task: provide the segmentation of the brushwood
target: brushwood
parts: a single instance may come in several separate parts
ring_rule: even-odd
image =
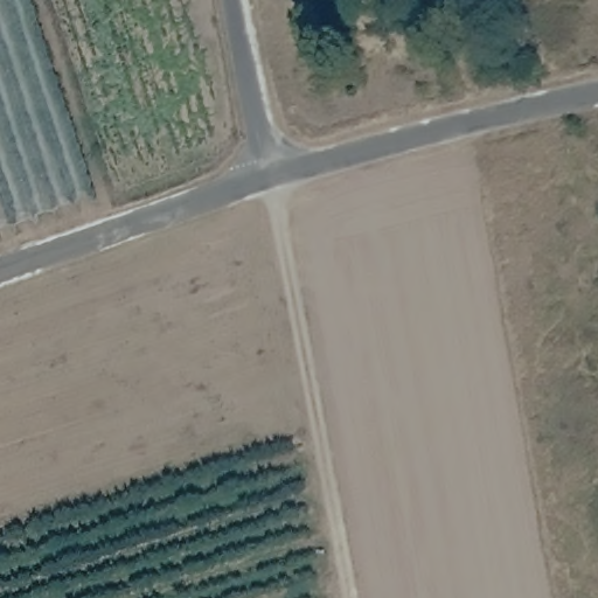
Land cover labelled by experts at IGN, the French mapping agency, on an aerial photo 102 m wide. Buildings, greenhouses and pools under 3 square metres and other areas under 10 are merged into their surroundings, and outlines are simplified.
[[[593,488],[589,505],[589,521],[593,526],[591,537],[598,540],[598,486]]]
[[[584,16],[582,7],[586,0],[526,0],[519,42],[535,44],[537,54],[542,49],[561,51],[565,44],[577,42],[577,30]]]

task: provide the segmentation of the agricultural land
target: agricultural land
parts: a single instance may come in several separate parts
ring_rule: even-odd
[[[84,192],[89,199],[96,199],[96,189],[105,185],[110,203],[117,208],[133,201],[152,199],[175,187],[182,187],[187,194],[196,192],[206,182],[224,180],[234,171],[238,171],[236,159],[248,147],[248,124],[238,93],[234,51],[229,42],[222,0],[35,0],[40,7],[44,35],[54,51],[56,70],[61,72],[61,82],[70,103],[70,112],[61,112],[61,117],[65,121],[70,150]]]
[[[544,558],[537,540],[537,521],[523,453],[521,416],[516,409],[507,350],[500,329],[500,311],[493,290],[493,259],[488,252],[486,236],[486,224],[495,220],[495,213],[491,201],[479,199],[479,168],[474,140],[486,135],[484,128],[292,182],[297,185],[297,189],[287,196],[290,243],[304,299],[304,315],[308,325],[308,339],[320,383],[332,467],[339,488],[343,528],[353,563],[357,591],[353,598],[544,598],[549,593],[549,582],[544,575]]]
[[[110,493],[131,479],[152,477],[164,467],[182,467],[210,453],[234,451],[250,441],[269,439],[273,434],[290,437],[297,427],[308,427],[308,413],[304,404],[304,390],[287,315],[287,299],[276,259],[271,217],[264,201],[243,199],[229,201],[206,213],[196,213],[187,220],[173,220],[161,229],[133,234],[110,245],[98,245],[91,252],[68,257],[63,262],[0,280],[0,526],[5,526],[12,519],[23,519],[30,509],[49,507],[58,500],[70,500],[89,493]]]

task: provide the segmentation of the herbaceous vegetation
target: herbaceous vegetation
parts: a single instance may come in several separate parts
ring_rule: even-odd
[[[117,208],[110,203],[105,185],[96,189],[96,199],[89,199],[84,192],[77,194],[75,201],[68,201],[63,196],[56,201],[56,206],[44,203],[42,194],[33,194],[33,208],[26,208],[26,222],[16,220],[0,229],[0,259],[12,252],[26,250],[26,243],[44,238],[49,234],[65,231],[100,215],[112,215]]]
[[[56,528],[40,535],[37,540],[26,540],[19,547],[0,547],[0,554],[23,554],[56,537],[89,533],[114,519],[161,509],[180,502],[185,495],[210,495],[220,491],[227,481],[250,481],[264,474],[273,474],[276,465],[292,465],[294,472],[304,477],[304,488],[299,491],[283,491],[273,498],[266,498],[250,507],[241,507],[236,512],[224,512],[213,519],[203,519],[168,533],[154,533],[128,547],[103,549],[96,554],[72,554],[58,563],[49,563],[42,572],[51,577],[61,572],[84,570],[107,558],[133,556],[152,544],[187,537],[196,530],[220,528],[238,519],[257,516],[264,509],[276,509],[285,500],[297,500],[306,502],[306,509],[290,509],[278,519],[266,519],[262,523],[236,528],[217,537],[203,537],[180,549],[159,551],[121,568],[107,568],[103,572],[79,577],[77,582],[82,589],[107,582],[121,582],[128,579],[131,572],[138,572],[142,568],[178,563],[185,556],[203,554],[236,540],[262,535],[266,530],[308,523],[311,535],[283,537],[266,544],[257,544],[252,549],[241,551],[236,558],[217,561],[210,565],[196,563],[192,570],[182,572],[182,582],[196,584],[201,579],[224,575],[229,570],[243,570],[248,565],[257,565],[259,561],[283,556],[292,549],[313,547],[313,570],[318,572],[318,589],[322,591],[318,598],[343,598],[339,591],[336,568],[329,561],[329,530],[325,521],[325,507],[320,502],[320,477],[313,463],[313,441],[308,427],[297,427],[290,437],[273,434],[269,439],[250,441],[234,451],[210,453],[182,467],[164,467],[152,477],[131,479],[110,493],[89,493],[70,500],[58,500],[49,507],[30,509],[23,519],[12,519],[5,526],[0,526],[0,535],[9,533],[12,528],[26,528],[35,519],[51,516],[68,507],[91,505],[98,500],[114,500],[138,486],[159,484],[166,477],[182,477],[192,470],[206,467],[217,460],[243,458],[262,446],[290,439],[294,444],[294,449],[287,453],[252,458],[252,472],[227,472],[203,488],[182,486],[166,498],[110,509],[107,514],[100,514],[96,521],[70,528]]]
[[[297,54],[294,28],[287,19],[287,12],[294,2],[299,2],[301,9],[308,14],[313,28],[329,26],[341,35],[348,35],[350,30],[355,33],[355,40],[362,47],[360,58],[367,68],[367,84],[360,86],[355,93],[313,93],[311,68],[306,58]],[[294,147],[301,147],[306,154],[327,152],[374,135],[397,133],[402,128],[425,126],[439,119],[470,114],[521,98],[537,98],[551,91],[598,82],[598,0],[586,0],[582,7],[584,16],[577,30],[577,42],[565,44],[561,51],[542,49],[537,54],[540,63],[547,68],[547,77],[540,82],[537,89],[528,86],[526,91],[519,91],[514,86],[500,84],[479,86],[472,79],[472,70],[467,65],[465,54],[456,56],[456,68],[427,68],[406,49],[406,40],[402,33],[390,33],[383,37],[369,35],[367,23],[371,23],[374,19],[371,14],[360,14],[355,28],[343,23],[334,7],[334,0],[250,0],[259,54],[271,96],[271,110],[280,131],[285,133],[283,138],[290,140]]]
[[[584,138],[570,135],[565,131],[565,114],[579,114],[586,121]],[[544,575],[549,582],[549,593],[544,598],[598,598],[598,540],[591,537],[593,526],[589,521],[589,505],[593,488],[598,486],[598,103],[565,107],[561,112],[484,128],[486,135],[474,140],[479,168],[479,199],[491,201],[495,213],[495,220],[486,224],[486,236],[488,252],[493,259],[493,290],[500,311],[500,329],[507,350],[516,409],[521,416],[523,453],[537,521],[537,540],[544,558]]]

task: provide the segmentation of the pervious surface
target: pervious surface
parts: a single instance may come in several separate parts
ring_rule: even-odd
[[[283,138],[285,133],[280,131],[271,110],[271,96],[259,54],[250,0],[241,0],[245,35],[255,63],[264,114],[271,135]]]
[[[292,182],[283,182],[271,189],[248,194],[243,199],[264,201],[271,217],[276,259],[287,299],[287,315],[304,390],[304,404],[308,413],[308,427],[313,441],[313,463],[320,477],[320,502],[325,507],[325,521],[329,530],[329,561],[336,568],[339,591],[343,598],[353,598],[357,591],[353,563],[343,528],[339,488],[332,467],[320,383],[308,339],[308,325],[304,315],[304,299],[290,243],[287,196],[297,189],[297,185]]]
[[[26,243],[26,250],[47,245],[51,241],[86,231],[91,227],[133,215],[138,210],[166,201],[175,201],[187,194],[182,187],[175,187],[152,199],[133,201],[117,208],[112,215],[100,215],[65,231],[49,234],[44,238]]]

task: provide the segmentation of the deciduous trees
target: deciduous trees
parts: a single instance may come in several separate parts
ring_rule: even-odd
[[[91,505],[68,507],[51,516],[35,519],[26,528],[12,528],[9,533],[0,535],[0,547],[19,547],[26,540],[37,540],[40,535],[56,528],[70,528],[96,521],[100,514],[107,514],[110,509],[166,498],[182,486],[203,488],[227,472],[252,472],[252,458],[287,453],[294,449],[294,444],[290,439],[262,446],[243,458],[217,460],[206,467],[192,470],[182,477],[166,477],[159,484],[138,486],[114,500],[98,500]]]
[[[44,203],[56,206],[56,201],[63,196],[68,201],[75,201],[77,194],[84,192],[70,150],[65,121],[61,117],[61,112],[70,112],[70,103],[61,82],[61,72],[56,70],[54,51],[44,35],[40,7],[35,0],[0,0],[0,229],[16,220],[26,222],[26,208],[33,208],[33,194],[42,194]]]
[[[540,82],[547,77],[547,68],[540,63],[537,54],[535,44],[519,42],[526,0],[334,0],[334,7],[343,23],[355,28],[360,14],[371,14],[374,19],[371,23],[367,23],[369,35],[383,37],[390,33],[402,33],[406,40],[406,49],[427,68],[456,68],[456,56],[465,54],[467,65],[472,70],[472,79],[479,86],[500,84],[514,86],[519,91],[526,91],[528,86],[537,89]]]
[[[311,68],[313,93],[355,93],[360,86],[367,84],[367,68],[360,58],[362,47],[355,40],[355,33],[350,30],[348,35],[341,35],[329,26],[313,28],[308,14],[301,9],[299,2],[294,2],[287,12],[287,19],[294,28],[297,54],[306,58]]]
[[[89,533],[56,537],[23,554],[0,554],[0,598],[318,598],[322,591],[318,589],[318,572],[313,570],[313,547],[292,549],[283,556],[259,561],[257,565],[248,565],[243,570],[229,570],[224,575],[201,579],[196,584],[182,582],[182,572],[192,570],[196,563],[210,565],[217,561],[236,558],[241,551],[252,549],[257,544],[266,544],[283,537],[311,535],[308,523],[266,530],[262,535],[236,540],[203,554],[185,556],[178,563],[142,568],[138,572],[131,572],[128,579],[121,582],[107,582],[82,589],[77,582],[79,577],[103,572],[107,568],[121,568],[159,551],[180,549],[203,537],[217,537],[236,528],[262,523],[266,519],[278,519],[290,509],[306,509],[306,502],[297,500],[285,500],[276,509],[264,509],[257,516],[238,519],[220,528],[196,530],[187,537],[152,544],[133,556],[107,558],[84,570],[61,572],[51,577],[42,572],[49,563],[58,563],[72,554],[96,554],[103,549],[128,547],[154,533],[168,533],[203,519],[213,519],[224,512],[236,512],[241,507],[250,507],[266,498],[273,498],[283,491],[299,491],[304,488],[304,477],[294,472],[292,465],[276,465],[273,474],[264,474],[250,481],[227,481],[220,491],[210,495],[185,495],[180,502],[161,509],[114,519]]]
[[[565,131],[570,135],[584,138],[586,121],[579,114],[565,114]]]

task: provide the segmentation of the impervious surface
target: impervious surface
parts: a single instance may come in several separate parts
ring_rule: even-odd
[[[47,245],[26,250],[12,252],[0,259],[0,280],[63,262],[68,257],[91,252],[98,245],[110,245],[133,234],[161,229],[173,220],[187,220],[196,213],[206,213],[229,201],[243,199],[248,194],[271,189],[283,182],[292,182],[484,128],[561,112],[565,107],[598,103],[598,82],[551,91],[537,98],[521,98],[470,114],[439,119],[425,126],[402,128],[397,133],[374,135],[327,152],[306,154],[301,147],[294,147],[290,140],[283,138],[271,135],[264,114],[255,63],[245,35],[241,0],[222,0],[229,42],[234,51],[238,93],[248,124],[248,147],[236,159],[238,171],[234,171],[224,180],[206,182],[196,192],[187,194],[175,201],[166,201],[138,210],[133,215],[91,227],[86,231],[51,241]]]

